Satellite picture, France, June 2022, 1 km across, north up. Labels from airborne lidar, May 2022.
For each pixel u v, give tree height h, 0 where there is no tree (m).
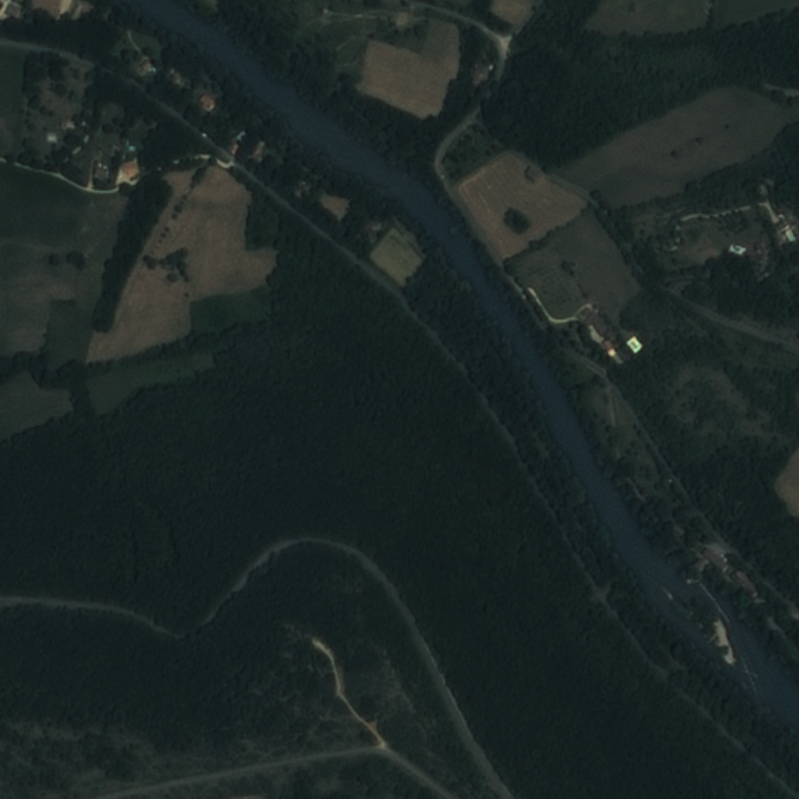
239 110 20
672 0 0
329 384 19
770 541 17
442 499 19
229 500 14
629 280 0
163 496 17
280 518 13
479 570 19
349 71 0
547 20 12
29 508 14
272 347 18
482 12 13
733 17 0
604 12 0
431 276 19
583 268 0
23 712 7
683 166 0
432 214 0
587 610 9
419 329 16
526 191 0
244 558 11
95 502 14
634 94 9
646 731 17
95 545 17
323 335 16
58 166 6
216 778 0
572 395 15
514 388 25
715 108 0
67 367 12
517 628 13
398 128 23
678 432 8
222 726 7
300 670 6
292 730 7
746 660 0
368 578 9
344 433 13
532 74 22
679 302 10
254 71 0
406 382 17
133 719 9
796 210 10
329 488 18
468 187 0
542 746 16
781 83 9
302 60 29
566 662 16
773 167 10
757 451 14
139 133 0
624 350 9
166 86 19
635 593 17
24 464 15
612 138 13
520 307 17
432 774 8
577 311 0
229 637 9
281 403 17
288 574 11
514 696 13
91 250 0
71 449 12
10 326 0
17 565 16
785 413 6
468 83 10
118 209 0
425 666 5
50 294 0
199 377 12
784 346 11
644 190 0
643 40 9
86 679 11
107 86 19
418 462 18
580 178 0
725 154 0
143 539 15
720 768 17
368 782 6
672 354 10
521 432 16
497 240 0
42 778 6
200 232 0
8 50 0
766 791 9
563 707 15
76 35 15
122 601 14
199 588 17
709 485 19
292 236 13
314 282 13
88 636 12
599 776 16
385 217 18
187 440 10
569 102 17
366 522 16
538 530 23
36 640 12
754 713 18
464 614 13
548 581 17
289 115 0
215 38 0
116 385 0
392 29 13
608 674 13
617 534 0
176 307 0
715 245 0
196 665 18
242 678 9
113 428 16
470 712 11
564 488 21
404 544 15
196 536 17
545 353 14
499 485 24
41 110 7
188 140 14
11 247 0
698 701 15
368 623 8
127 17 38
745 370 11
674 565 14
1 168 0
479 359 23
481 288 0
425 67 0
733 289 8
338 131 0
